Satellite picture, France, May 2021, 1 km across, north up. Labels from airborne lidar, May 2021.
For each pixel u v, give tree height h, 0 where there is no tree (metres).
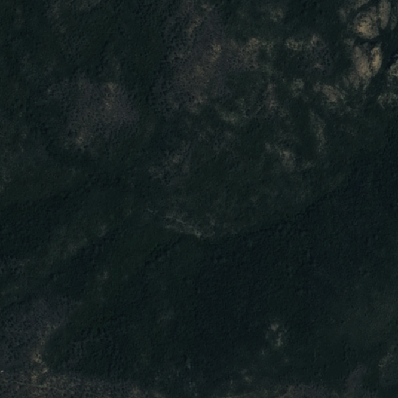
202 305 8
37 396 9
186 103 10
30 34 8
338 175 9
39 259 7
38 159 8
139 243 8
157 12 16
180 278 9
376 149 7
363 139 7
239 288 10
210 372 7
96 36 7
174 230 7
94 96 15
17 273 12
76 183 8
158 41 7
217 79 11
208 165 8
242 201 8
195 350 7
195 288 12
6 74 6
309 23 6
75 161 11
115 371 19
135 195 8
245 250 9
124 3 6
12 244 6
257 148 6
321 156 6
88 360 9
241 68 15
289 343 9
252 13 6
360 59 0
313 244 11
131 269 6
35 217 8
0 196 6
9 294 7
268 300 7
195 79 11
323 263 9
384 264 6
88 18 15
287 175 6
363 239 11
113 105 14
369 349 7
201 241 20
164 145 6
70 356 23
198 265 14
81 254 9
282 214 17
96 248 19
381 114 10
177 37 17
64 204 8
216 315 7
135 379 13
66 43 9
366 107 6
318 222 10
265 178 6
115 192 6
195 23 7
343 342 11
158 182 5
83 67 6
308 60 7
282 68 9
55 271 7
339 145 11
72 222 5
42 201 14
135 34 7
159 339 8
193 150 12
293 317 11
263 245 9
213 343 6
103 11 8
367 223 6
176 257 6
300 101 6
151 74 7
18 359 12
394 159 12
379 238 9
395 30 8
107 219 9
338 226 8
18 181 7
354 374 15
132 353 8
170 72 17
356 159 13
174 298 8
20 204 13
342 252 7
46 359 6
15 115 7
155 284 5
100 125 14
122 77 10
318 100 6
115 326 8
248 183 6
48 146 13
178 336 7
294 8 8
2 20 8
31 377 9
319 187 17
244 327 8
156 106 20
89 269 6
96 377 6
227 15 11
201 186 8
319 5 24
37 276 6
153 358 11
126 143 7
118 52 10
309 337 7
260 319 6
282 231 25
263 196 8
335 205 6
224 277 12
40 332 12
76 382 14
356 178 7
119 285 10
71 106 15
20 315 16
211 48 12
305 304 12
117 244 6
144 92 9
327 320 7
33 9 7
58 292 5
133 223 7
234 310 7
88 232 8
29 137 5
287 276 7
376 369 5
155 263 9
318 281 6
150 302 6
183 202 6
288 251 9
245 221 6
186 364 9
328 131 5
